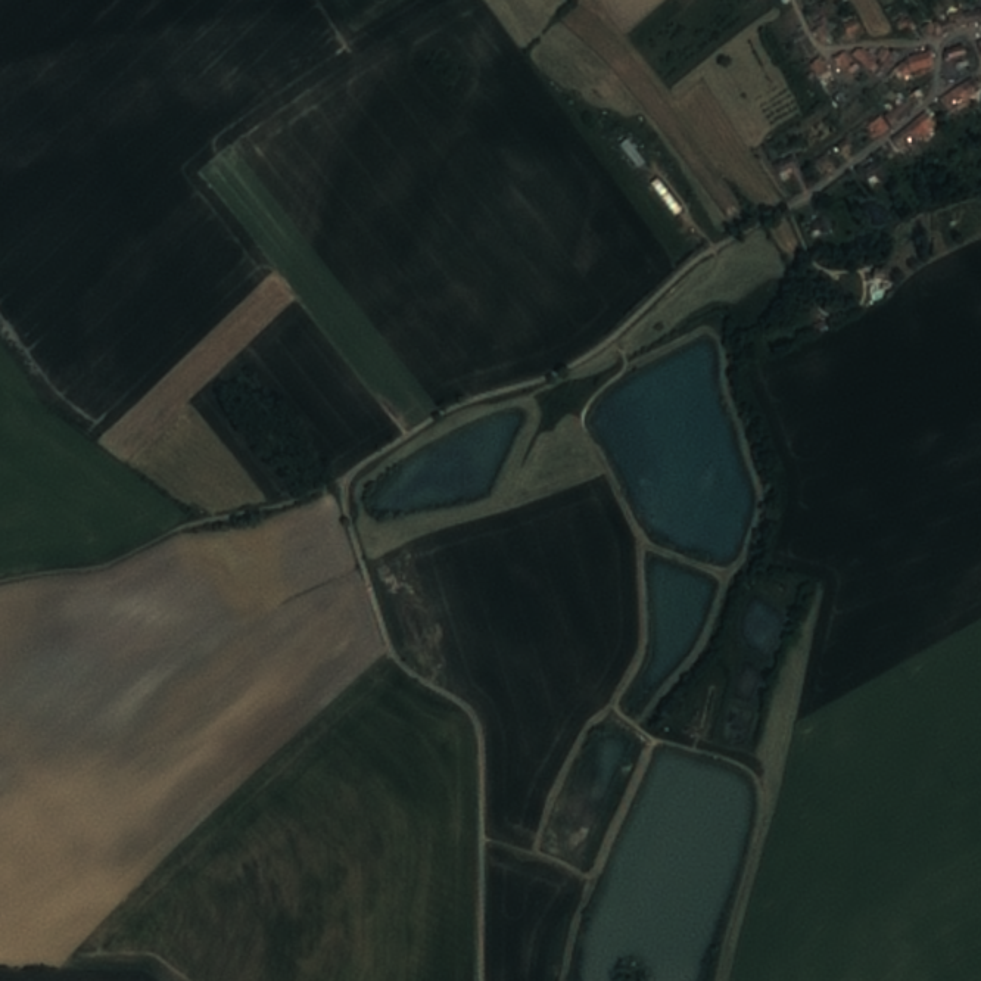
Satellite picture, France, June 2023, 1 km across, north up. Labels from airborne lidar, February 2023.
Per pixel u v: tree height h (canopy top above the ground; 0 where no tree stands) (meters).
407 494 0
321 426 0
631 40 0
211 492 0
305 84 0
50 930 0
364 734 0
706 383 0
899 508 0
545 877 0
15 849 0
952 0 0
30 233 0
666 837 0
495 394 0
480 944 0
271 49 0
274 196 0
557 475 0
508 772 0
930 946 0
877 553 0
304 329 0
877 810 0
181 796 0
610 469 0
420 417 0
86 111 0
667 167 0
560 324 0
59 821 0
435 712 0
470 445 0
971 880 0
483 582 0
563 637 0
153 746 0
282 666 0
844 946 0
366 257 0
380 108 0
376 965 0
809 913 0
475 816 0
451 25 0
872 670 0
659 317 0
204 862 0
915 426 0
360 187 0
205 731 0
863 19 0
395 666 0
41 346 0
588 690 0
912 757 0
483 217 0
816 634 0
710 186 0
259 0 0
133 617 0
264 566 0
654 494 0
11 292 0
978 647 0
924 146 0
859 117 0
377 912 0
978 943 0
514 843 0
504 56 0
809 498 0
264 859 0
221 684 0
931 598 0
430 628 0
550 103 0
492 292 0
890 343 0
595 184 0
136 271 0
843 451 0
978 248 0
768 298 0
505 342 0
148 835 0
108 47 0
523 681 0
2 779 0
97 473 0
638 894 0
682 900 0
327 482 23
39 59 0
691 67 0
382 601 0
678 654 0
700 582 0
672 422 0
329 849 0
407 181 0
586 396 0
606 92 0
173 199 0
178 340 0
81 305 0
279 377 0
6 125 0
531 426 0
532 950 0
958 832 0
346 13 0
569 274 0
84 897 0
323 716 0
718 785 0
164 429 0
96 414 0
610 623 0
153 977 0
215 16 0
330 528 0
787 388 0
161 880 0
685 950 0
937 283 0
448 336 0
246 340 0
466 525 0
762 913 0
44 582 0
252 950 0
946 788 0
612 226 0
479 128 0
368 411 0
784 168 0
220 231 0
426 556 0
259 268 0
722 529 0
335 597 0
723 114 0
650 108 0
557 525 0
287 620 0
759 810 0
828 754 0
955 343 0
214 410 0
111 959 0
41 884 0
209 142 0
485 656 0
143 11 0
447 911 0
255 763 0
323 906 0
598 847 0
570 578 0
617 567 0
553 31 0
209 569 0
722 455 0
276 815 0
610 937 0
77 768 0
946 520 0
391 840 0
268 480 0
